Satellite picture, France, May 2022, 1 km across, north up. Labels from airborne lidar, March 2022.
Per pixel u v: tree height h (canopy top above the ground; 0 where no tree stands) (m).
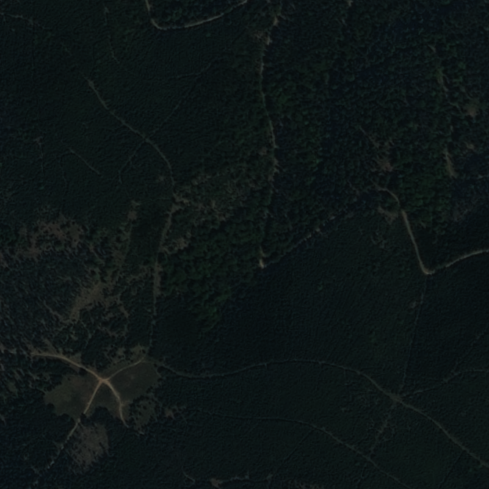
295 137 31
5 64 10
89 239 31
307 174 31
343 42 22
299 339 11
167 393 10
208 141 7
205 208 25
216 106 10
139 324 13
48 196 7
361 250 6
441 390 6
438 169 23
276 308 10
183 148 8
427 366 11
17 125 13
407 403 6
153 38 11
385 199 21
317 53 27
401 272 11
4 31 9
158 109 6
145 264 13
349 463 6
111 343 11
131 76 6
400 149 19
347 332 8
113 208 7
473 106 0
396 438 8
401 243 7
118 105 8
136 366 0
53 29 10
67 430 19
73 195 9
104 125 7
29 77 14
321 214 10
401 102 23
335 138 25
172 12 26
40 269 22
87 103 7
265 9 10
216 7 26
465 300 6
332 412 8
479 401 6
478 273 8
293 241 13
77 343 9
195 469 10
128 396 0
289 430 10
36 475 25
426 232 13
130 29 9
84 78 7
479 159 36
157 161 9
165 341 16
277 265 7
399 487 9
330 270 6
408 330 10
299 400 9
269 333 16
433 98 29
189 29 6
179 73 8
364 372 10
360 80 28
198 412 13
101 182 7
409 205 22
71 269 22
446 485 6
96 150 8
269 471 9
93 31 8
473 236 15
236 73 15
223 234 31
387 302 8
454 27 36
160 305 13
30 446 9
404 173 29
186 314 16
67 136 10
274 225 29
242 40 8
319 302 6
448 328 8
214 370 16
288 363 9
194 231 13
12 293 26
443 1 16
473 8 37
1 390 29
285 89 29
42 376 10
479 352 7
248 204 19
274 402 9
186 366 17
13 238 12
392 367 5
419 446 7
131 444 11
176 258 37
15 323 27
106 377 0
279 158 28
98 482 9
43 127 11
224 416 9
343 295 9
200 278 10
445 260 10
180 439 15
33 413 19
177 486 14
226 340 16
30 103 15
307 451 7
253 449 9
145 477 16
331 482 9
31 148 7
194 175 7
